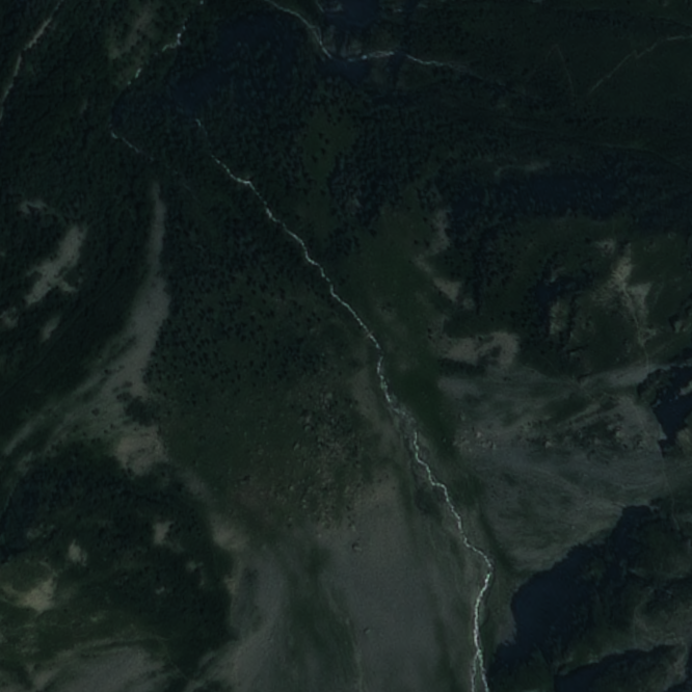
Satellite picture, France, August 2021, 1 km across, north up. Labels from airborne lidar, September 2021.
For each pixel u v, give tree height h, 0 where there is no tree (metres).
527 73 8
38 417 0
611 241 0
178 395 0
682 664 0
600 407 0
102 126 8
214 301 0
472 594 0
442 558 0
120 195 6
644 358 0
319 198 0
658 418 0
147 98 11
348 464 0
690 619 0
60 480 7
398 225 0
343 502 0
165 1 7
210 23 9
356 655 0
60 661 0
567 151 0
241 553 0
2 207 12
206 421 0
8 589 0
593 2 0
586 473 0
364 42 7
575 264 0
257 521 0
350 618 0
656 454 0
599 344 0
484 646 0
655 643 0
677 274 0
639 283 0
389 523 0
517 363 0
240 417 0
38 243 8
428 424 0
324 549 0
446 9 8
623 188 6
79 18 9
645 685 0
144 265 7
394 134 8
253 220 11
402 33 8
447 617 0
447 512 0
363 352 0
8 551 6
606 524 0
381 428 0
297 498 0
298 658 0
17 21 16
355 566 0
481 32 0
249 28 18
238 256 7
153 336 0
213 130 7
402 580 0
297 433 0
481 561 0
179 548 0
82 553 0
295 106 12
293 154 15
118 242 10
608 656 0
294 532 0
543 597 0
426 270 0
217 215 10
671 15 0
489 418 0
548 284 7
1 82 9
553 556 0
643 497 0
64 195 9
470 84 10
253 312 0
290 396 0
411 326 0
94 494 12
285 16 8
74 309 6
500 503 0
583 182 12
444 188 9
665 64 0
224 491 0
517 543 0
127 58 7
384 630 0
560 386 0
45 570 0
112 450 0
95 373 0
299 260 8
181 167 7
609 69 0
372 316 0
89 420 0
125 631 0
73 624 0
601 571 0
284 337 0
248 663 0
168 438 0
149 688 0
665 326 0
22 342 12
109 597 0
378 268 0
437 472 0
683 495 0
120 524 10
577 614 6
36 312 8
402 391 0
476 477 0
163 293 0
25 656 0
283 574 0
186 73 11
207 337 0
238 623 0
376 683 0
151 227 11
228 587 0
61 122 11
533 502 0
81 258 0
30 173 7
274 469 0
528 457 0
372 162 7
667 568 0
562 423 0
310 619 0
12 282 12
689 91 0
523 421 0
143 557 7
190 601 6
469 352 0
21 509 6
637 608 0
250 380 0
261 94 11
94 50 11
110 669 0
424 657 0
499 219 7
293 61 7
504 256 8
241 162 8
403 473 0
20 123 15
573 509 0
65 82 7
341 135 0
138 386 0
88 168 11
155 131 10
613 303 0
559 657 0
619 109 0
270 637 0
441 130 7
